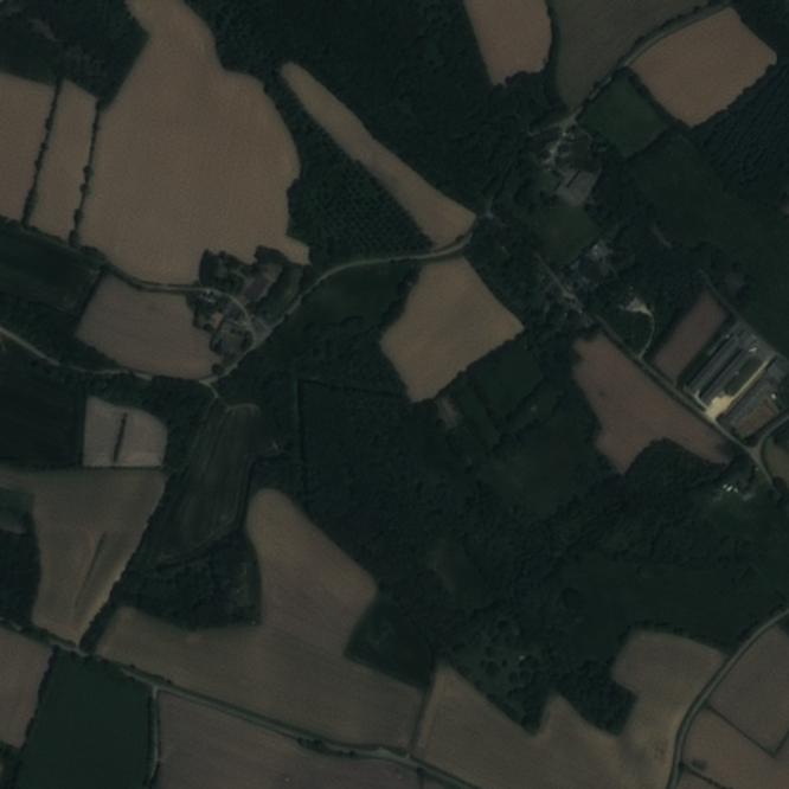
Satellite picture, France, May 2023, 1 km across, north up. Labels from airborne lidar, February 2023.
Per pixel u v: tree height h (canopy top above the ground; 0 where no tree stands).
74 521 0
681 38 0
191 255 0
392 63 13
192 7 9
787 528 0
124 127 0
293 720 0
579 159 0
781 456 0
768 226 0
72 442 0
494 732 0
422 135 13
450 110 16
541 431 12
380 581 14
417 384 0
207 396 6
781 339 0
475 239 11
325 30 15
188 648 0
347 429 19
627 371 0
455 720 0
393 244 17
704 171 0
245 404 0
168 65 0
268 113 0
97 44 14
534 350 12
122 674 15
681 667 0
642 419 0
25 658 0
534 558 8
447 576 0
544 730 0
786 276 0
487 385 0
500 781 0
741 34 0
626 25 0
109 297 0
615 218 13
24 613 11
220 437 0
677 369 0
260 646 0
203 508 0
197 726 0
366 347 14
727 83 0
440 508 16
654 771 0
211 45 0
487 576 15
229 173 0
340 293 0
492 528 8
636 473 9
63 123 0
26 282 0
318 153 13
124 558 0
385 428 16
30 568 8
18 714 0
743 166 9
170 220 0
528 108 12
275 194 0
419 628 18
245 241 0
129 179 0
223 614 19
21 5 10
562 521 10
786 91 21
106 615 13
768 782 0
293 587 0
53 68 8
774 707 0
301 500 7
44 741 0
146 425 0
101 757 0
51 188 0
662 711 0
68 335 15
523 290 9
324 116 0
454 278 0
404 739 0
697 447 0
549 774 0
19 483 0
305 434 15
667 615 0
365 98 15
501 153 15
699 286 20
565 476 0
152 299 0
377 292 0
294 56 12
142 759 0
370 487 21
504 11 0
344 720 0
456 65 11
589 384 0
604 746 0
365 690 0
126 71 7
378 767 0
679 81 0
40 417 0
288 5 17
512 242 8
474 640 13
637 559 10
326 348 6
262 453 0
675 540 11
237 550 17
